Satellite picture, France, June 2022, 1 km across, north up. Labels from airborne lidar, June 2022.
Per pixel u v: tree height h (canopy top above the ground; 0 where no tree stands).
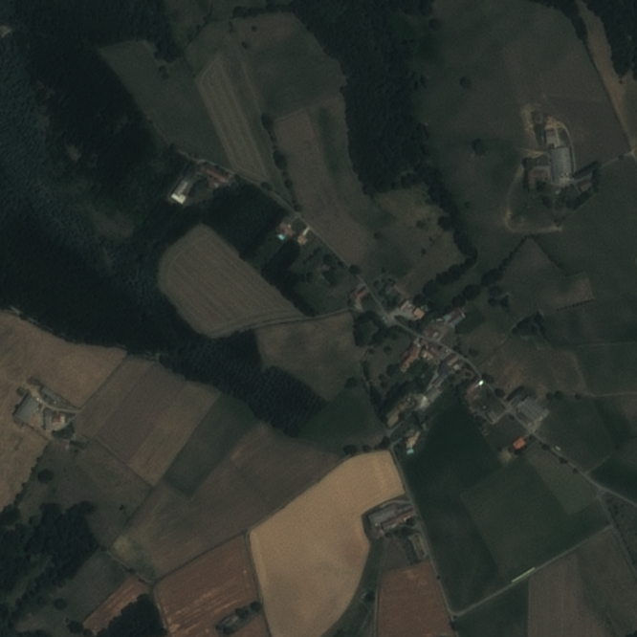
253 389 22
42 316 11
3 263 9
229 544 0
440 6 0
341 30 16
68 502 0
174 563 0
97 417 0
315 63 0
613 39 15
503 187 0
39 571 0
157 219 8
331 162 0
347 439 0
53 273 12
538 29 0
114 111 15
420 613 0
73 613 0
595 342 0
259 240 14
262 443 0
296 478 0
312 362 0
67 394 0
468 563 0
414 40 9
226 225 10
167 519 0
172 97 0
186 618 0
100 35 10
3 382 0
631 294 0
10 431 0
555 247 0
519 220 0
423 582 0
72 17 11
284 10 13
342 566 0
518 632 0
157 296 13
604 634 0
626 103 0
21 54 7
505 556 0
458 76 0
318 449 0
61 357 0
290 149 0
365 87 19
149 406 0
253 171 0
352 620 0
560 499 0
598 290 0
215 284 0
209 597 0
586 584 0
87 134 12
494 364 0
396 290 0
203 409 0
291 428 19
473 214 0
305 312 12
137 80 0
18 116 11
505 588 0
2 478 0
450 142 0
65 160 8
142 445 0
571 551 0
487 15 0
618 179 0
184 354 19
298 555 0
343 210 0
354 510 0
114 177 13
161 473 0
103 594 0
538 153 0
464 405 8
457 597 0
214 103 0
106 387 0
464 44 0
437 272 0
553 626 0
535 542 0
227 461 0
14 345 0
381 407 10
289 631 0
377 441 0
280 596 0
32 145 11
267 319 0
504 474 0
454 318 0
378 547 0
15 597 0
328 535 0
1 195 31
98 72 12
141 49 0
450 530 0
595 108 0
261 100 0
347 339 0
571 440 0
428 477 0
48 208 9
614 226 0
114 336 13
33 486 0
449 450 0
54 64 14
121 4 15
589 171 14
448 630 0
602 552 0
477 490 0
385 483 0
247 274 0
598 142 0
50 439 0
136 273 10
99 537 0
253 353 14
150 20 15
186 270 0
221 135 0
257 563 0
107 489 0
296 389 18
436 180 20
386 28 26
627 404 0
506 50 0
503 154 0
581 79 0
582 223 0
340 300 0
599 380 0
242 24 0
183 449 0
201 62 0
